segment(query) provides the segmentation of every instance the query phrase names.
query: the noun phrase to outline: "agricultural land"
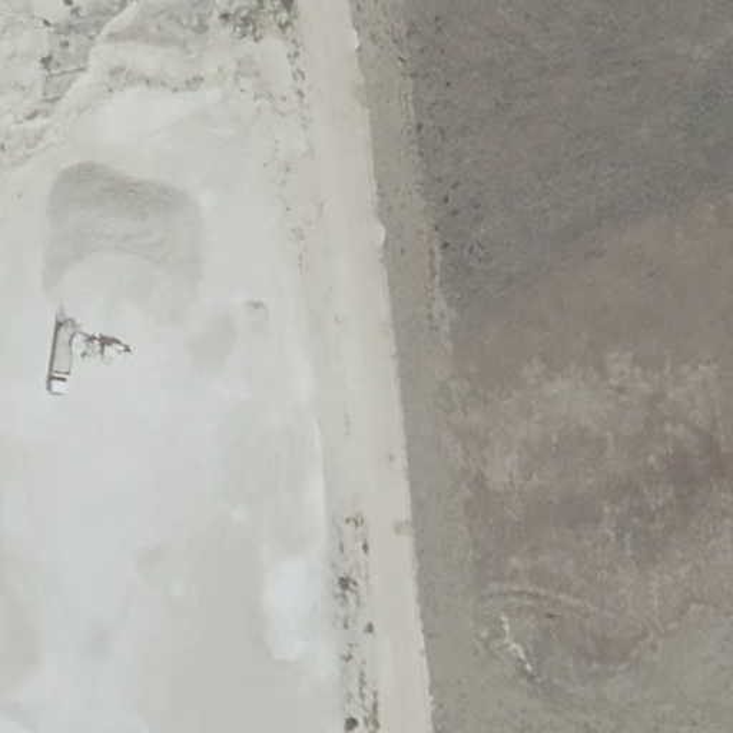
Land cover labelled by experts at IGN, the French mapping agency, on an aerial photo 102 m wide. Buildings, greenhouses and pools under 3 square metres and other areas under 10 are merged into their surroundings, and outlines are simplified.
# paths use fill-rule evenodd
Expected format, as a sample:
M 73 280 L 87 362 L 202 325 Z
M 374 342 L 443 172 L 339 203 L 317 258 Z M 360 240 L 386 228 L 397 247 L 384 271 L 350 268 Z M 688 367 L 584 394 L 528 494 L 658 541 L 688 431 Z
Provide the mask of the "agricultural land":
M 424 656 L 429 667 L 432 733 L 733 733 L 733 0 L 349 0 L 352 26 L 358 31 L 358 69 L 364 77 L 364 83 L 355 86 L 355 100 L 369 112 L 372 178 L 378 195 L 375 215 L 384 226 L 381 258 L 387 269 L 389 318 L 395 335 L 395 367 L 407 444 L 407 484 L 412 507 L 415 587 L 424 630 Z

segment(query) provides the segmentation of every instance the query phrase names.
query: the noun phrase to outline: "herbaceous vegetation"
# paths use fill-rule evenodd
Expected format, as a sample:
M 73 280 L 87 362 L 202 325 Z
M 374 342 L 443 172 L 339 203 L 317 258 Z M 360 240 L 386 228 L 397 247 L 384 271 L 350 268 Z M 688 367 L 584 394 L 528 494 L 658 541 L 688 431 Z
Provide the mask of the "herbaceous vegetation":
M 220 23 L 241 29 L 243 40 L 263 40 L 289 31 L 298 20 L 295 0 L 243 0 L 243 9 L 220 11 Z

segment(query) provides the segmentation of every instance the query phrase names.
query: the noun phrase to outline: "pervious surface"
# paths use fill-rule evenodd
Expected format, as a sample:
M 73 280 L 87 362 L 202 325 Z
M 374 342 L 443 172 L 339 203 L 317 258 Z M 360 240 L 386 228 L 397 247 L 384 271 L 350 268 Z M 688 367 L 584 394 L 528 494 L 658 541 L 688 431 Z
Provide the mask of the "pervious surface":
M 0 733 L 432 733 L 429 667 L 424 656 L 424 630 L 415 587 L 412 507 L 407 484 L 407 444 L 395 367 L 395 335 L 389 318 L 387 269 L 381 258 L 384 226 L 375 215 L 378 195 L 372 178 L 369 112 L 355 100 L 355 86 L 364 83 L 364 77 L 358 69 L 358 31 L 352 26 L 349 0 L 295 0 L 298 20 L 289 31 L 263 40 L 243 40 L 241 29 L 220 23 L 220 11 L 243 9 L 243 0 L 0 0 Z

